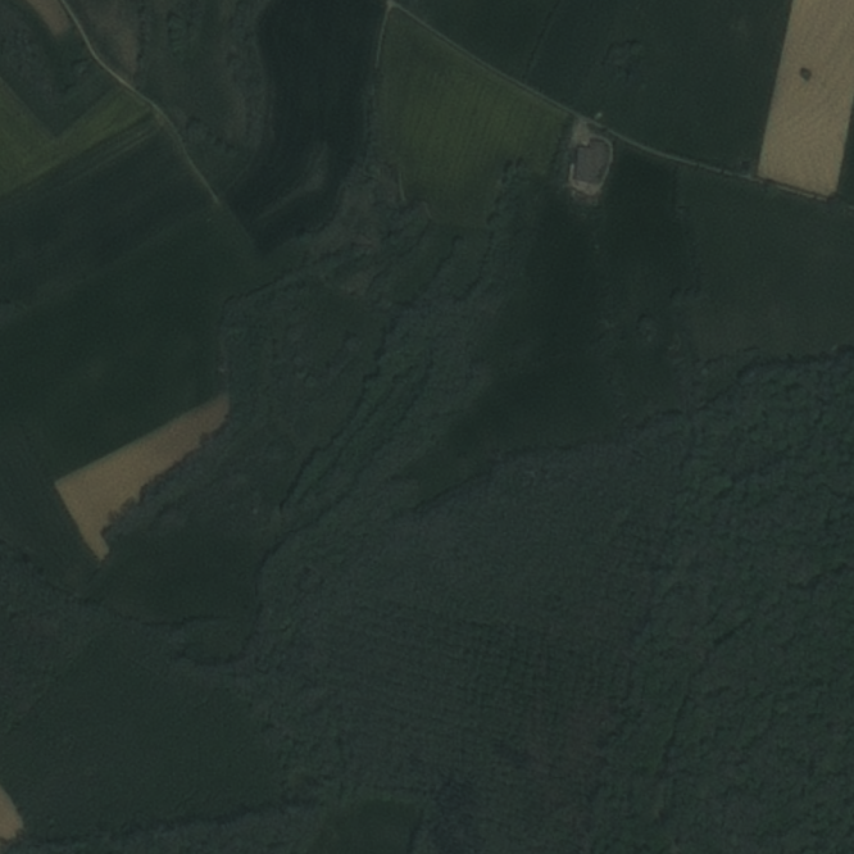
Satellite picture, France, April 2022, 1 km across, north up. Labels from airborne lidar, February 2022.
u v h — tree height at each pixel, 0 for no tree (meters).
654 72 0
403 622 6
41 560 0
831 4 0
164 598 0
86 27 0
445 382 22
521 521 19
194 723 6
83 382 0
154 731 6
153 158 0
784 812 22
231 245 0
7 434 0
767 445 16
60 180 0
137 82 10
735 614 27
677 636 30
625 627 14
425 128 0
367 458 7
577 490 18
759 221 0
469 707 13
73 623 19
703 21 0
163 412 0
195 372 0
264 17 0
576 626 14
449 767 16
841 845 24
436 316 23
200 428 0
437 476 0
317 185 0
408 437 22
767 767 28
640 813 27
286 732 24
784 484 24
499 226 17
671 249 0
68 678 6
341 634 17
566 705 12
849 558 27
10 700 14
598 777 14
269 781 8
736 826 32
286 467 0
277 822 32
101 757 6
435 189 0
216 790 6
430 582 18
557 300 0
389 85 0
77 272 0
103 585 0
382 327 0
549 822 18
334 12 0
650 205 0
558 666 14
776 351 0
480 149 0
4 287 0
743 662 28
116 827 6
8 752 7
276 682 26
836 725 27
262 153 0
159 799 5
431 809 16
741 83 0
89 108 0
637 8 0
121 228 0
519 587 18
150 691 6
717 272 0
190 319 0
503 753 19
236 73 12
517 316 0
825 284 0
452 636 16
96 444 0
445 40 0
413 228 16
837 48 0
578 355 0
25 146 0
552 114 0
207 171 0
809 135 0
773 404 26
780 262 0
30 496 0
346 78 0
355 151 0
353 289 0
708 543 26
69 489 0
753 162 0
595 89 0
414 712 16
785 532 27
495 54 0
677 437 21
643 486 18
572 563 17
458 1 0
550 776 15
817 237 0
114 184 0
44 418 0
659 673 25
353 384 0
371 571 19
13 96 0
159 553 0
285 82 0
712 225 0
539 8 0
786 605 24
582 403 0
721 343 0
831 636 25
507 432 0
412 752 15
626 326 0
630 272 0
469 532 21
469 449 0
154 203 0
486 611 17
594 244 0
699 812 26
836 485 28
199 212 0
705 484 22
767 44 0
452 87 0
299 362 13
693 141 0
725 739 29
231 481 11
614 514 17
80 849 16
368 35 0
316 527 15
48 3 0
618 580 15
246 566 0
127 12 0
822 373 23
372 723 17
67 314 0
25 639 16
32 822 7
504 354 0
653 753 23
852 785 29
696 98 0
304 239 14
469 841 20
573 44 0
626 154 0
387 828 0
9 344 0
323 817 15
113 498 0
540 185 0
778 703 25
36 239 0
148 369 0
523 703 13
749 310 0
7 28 7
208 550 0
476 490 16
